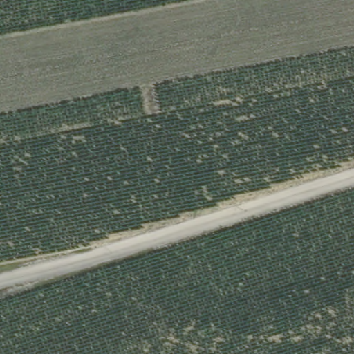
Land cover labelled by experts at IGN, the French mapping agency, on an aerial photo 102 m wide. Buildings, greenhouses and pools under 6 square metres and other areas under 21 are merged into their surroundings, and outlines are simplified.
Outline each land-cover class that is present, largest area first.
<instances>
[{"label":"vineyard","instance_id":"1","mask_svg":"<svg viewBox=\"0 0 354 354\"><path fill-rule=\"evenodd\" d=\"M187 0H0V35ZM159 113L151 115L144 111L138 87L116 88L86 98H73L54 104L0 112V274L43 261L90 252L91 242L101 241L108 235L140 230L142 225L147 223L171 220L180 217L181 213L216 207L218 203L228 201L232 196L261 191L270 188L271 185L299 178L303 174L340 169L343 162L350 158L354 159V46L246 65L227 71L178 77L173 82L165 80L156 83ZM0 354H354V187L329 192L310 201L297 203L295 206L283 207L277 212L250 217L228 227L181 239L163 248L142 250L133 256L59 275L46 282L24 281L0 288Z\"/></svg>","mask_w":354,"mask_h":354},{"label":"agricultural land","instance_id":"2","mask_svg":"<svg viewBox=\"0 0 354 354\"><path fill-rule=\"evenodd\" d=\"M354 46V0H187L0 35V112L54 104L73 98H86L116 88L138 87L144 111L151 115L159 113L156 83L165 80L173 82L178 77L227 71L246 65Z\"/></svg>","mask_w":354,"mask_h":354},{"label":"pervious surface","instance_id":"3","mask_svg":"<svg viewBox=\"0 0 354 354\"><path fill-rule=\"evenodd\" d=\"M354 187V159L350 158L343 162L340 169L303 174L299 178L271 185L270 188L261 191L232 196L228 201L218 203L216 207L181 213L180 217L171 220L147 223L142 225L140 230L108 235L101 241L91 242L90 252L43 261L0 274V288L24 281L46 282L59 275L133 256L142 250L163 248L181 239L228 227L250 217L277 212L283 207L295 206L297 203L310 201L329 192Z\"/></svg>","mask_w":354,"mask_h":354}]
</instances>
